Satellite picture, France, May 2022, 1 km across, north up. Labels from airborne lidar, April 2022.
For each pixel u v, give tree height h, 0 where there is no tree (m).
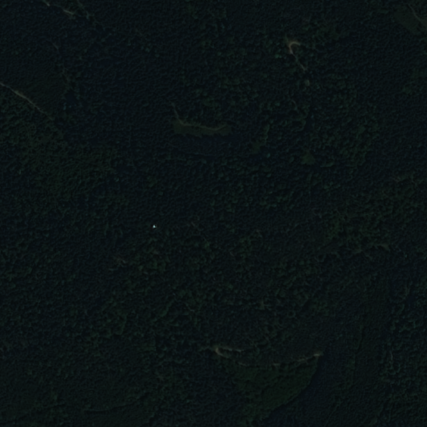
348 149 31
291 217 33
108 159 6
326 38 29
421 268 32
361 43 27
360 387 11
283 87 33
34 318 29
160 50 33
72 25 34
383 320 11
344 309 27
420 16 10
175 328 29
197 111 29
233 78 31
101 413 20
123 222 33
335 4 21
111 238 29
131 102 35
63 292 30
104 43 33
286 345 22
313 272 26
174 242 28
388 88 30
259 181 43
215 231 30
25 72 27
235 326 35
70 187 8
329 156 29
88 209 29
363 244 32
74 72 31
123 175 37
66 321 30
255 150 0
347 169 28
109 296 28
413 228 28
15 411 19
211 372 35
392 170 28
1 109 24
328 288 23
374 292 10
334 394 12
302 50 8
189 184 35
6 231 32
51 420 18
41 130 13
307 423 10
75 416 25
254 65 26
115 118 32
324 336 25
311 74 9
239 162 28
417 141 31
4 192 31
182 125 0
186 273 34
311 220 26
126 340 26
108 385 21
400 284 29
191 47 35
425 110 34
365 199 26
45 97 21
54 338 27
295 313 6
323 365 28
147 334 26
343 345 24
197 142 25
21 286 35
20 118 7
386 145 27
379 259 28
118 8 31
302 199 29
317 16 24
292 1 18
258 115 30
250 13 21
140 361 22
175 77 34
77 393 22
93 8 35
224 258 29
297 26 21
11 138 13
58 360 26
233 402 34
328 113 31
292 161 31
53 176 6
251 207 35
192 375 22
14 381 23
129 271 21
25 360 23
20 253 27
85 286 26
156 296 30
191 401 35
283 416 27
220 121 18
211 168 26
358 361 10
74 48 32
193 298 35
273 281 28
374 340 10
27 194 15
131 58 32
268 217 34
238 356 19
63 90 18
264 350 23
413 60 32
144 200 32
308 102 32
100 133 30
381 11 19
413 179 25
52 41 30
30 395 22
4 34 33
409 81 31
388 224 29
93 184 11
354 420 7
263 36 26
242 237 26
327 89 36
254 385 16
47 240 27
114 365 25
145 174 34
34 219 16
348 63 28
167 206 35
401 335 22
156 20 31
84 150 9
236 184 27
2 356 25
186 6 35
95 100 29
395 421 13
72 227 27
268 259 21
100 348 26
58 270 29
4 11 33
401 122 32
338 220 23
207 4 35
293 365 10
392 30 32
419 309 29
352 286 27
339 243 21
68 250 22
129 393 18
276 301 33
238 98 35
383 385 9
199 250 29
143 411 18
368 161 33
